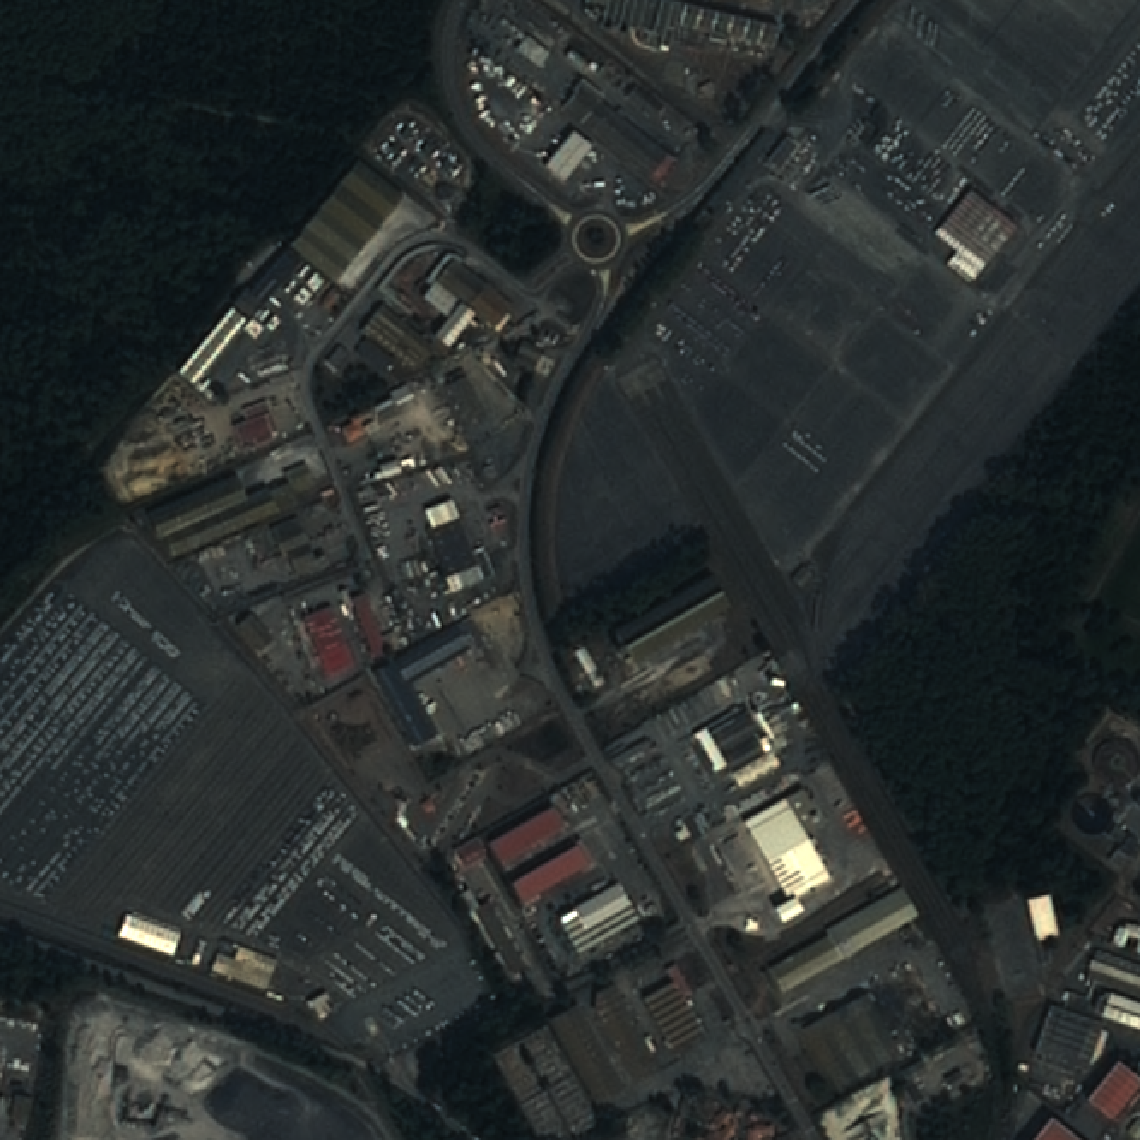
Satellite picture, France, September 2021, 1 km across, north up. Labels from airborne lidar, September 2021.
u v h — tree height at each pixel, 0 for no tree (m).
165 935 0
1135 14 0
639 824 0
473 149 0
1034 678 25
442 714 0
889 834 0
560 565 0
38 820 0
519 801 0
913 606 23
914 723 24
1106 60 0
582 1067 0
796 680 0
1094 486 10
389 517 0
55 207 8
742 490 0
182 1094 0
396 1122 10
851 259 0
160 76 11
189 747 0
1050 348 0
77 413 19
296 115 9
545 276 0
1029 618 14
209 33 9
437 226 0
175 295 15
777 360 0
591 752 0
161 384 0
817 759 0
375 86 10
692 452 0
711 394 0
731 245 0
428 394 0
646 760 0
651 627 0
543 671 0
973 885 21
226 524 0
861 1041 0
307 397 0
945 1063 0
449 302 0
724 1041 0
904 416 0
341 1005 0
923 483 0
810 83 6
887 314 0
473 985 0
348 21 12
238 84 11
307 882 0
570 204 0
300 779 0
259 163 7
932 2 0
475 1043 14
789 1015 0
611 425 0
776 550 0
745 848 0
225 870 0
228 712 0
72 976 12
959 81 0
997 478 24
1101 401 11
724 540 0
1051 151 0
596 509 0
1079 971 0
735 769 0
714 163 0
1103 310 0
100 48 18
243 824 0
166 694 0
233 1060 0
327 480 0
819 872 0
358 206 0
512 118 0
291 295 0
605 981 13
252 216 11
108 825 0
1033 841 20
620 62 0
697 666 0
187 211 9
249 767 0
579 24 0
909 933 0
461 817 0
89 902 0
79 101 17
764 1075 0
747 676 0
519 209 19
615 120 0
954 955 0
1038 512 8
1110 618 8
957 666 27
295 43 10
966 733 22
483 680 0
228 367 0
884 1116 0
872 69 0
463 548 0
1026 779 17
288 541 0
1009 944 0
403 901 0
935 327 0
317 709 0
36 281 8
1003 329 0
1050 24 0
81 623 0
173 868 0
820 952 0
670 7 0
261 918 0
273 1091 0
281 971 0
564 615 9
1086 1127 0
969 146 0
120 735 0
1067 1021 0
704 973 0
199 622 0
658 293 13
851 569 0
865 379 0
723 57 0
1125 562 0
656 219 0
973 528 25
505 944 0
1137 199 0
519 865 0
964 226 0
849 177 0
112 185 10
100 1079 0
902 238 0
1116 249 0
